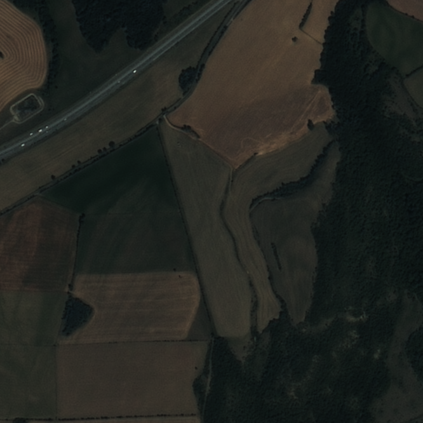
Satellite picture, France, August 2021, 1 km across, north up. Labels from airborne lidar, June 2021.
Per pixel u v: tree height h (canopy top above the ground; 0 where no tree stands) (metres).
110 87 0
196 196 0
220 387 7
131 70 0
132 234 0
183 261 0
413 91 0
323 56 12
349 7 21
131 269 0
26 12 0
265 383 12
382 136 17
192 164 0
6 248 0
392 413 0
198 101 0
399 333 0
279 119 0
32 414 0
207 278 0
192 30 0
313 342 8
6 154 0
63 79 0
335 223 9
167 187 0
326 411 12
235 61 0
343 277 7
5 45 0
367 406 8
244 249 0
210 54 6
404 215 17
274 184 0
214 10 0
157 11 15
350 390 15
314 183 0
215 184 0
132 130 0
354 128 10
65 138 0
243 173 0
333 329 6
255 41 0
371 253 7
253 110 0
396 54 0
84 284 0
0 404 0
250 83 0
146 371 0
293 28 0
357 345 7
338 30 27
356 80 14
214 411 6
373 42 0
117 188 0
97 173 0
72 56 0
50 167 0
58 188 0
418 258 18
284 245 0
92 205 0
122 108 0
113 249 0
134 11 15
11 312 0
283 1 0
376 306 6
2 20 0
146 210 0
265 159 0
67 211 0
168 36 0
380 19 0
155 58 0
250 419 8
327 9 0
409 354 8
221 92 0
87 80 0
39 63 0
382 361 9
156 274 0
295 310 0
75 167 9
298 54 0
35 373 0
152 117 0
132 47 15
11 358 0
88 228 0
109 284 0
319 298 6
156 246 0
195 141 0
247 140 0
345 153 10
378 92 12
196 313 0
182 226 0
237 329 0
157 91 0
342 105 12
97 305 0
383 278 9
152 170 0
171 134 0
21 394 0
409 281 10
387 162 16
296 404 7
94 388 0
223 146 0
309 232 0
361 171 14
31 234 0
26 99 0
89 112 0
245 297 0
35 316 0
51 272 0
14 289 0
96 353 0
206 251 0
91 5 17
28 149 0
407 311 0
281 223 0
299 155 0
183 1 0
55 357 0
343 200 9
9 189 0
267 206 0
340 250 8
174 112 0
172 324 0
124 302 0
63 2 0
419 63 0
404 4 0
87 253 0
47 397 0
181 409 0
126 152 0
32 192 0
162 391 0
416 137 0
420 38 0
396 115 7
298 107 0
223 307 0
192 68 12
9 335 0
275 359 12
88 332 0
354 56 13
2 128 0
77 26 0
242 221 0
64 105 0
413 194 16
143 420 0
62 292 0
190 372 0
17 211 0
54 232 0
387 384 7
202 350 0
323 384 7
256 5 0
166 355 0
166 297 0
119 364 0
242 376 11
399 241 7
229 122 0
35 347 0
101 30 16
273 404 10
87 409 0
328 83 17
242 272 0
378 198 8
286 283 0
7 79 0
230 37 0
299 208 0
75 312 14
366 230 6
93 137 0
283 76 0
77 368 0
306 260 0
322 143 0
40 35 0
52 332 0
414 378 0
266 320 0
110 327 0
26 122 0
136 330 0
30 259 0
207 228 0
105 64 0
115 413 0
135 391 0
